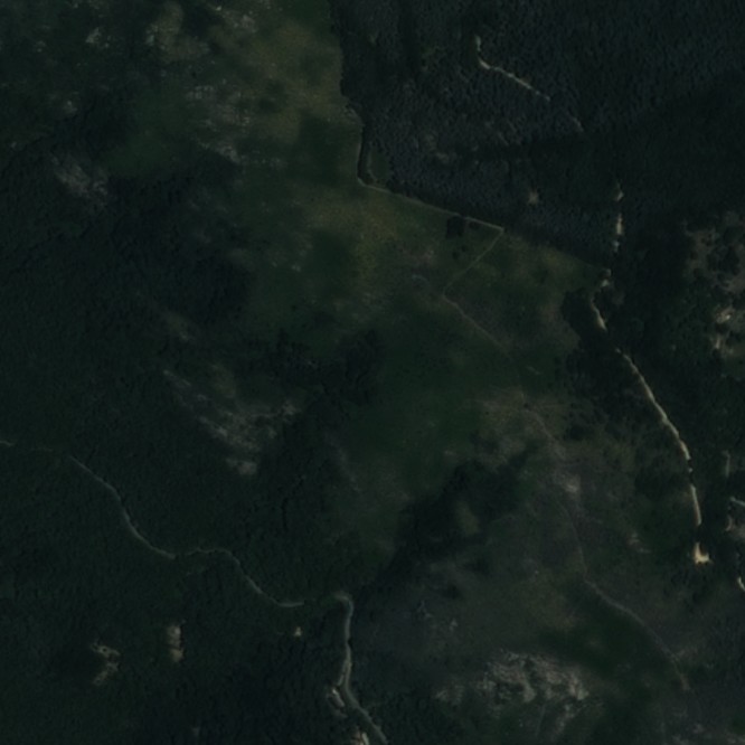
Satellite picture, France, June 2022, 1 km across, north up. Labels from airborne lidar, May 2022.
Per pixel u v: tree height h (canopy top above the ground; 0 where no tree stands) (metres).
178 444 16
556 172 13
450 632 0
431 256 0
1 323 13
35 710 14
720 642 6
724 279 9
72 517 19
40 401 18
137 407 17
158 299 7
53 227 7
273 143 0
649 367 12
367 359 13
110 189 7
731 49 16
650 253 16
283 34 0
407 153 22
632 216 15
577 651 0
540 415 0
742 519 11
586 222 21
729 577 9
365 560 10
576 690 0
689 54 13
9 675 14
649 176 16
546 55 12
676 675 0
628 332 10
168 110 0
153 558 17
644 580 0
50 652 14
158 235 12
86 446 16
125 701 19
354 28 12
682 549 10
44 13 0
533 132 13
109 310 13
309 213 0
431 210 0
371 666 8
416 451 0
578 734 0
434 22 22
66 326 13
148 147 0
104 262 15
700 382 20
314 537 12
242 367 7
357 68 13
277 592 14
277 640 13
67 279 12
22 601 13
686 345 15
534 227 16
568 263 0
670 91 21
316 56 0
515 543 0
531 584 0
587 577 0
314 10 0
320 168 0
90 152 7
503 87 20
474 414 0
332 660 16
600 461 0
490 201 21
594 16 16
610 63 16
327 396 14
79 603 14
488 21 24
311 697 6
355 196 0
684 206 15
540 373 0
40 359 15
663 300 19
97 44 6
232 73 0
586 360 14
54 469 17
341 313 0
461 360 0
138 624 15
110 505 16
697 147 22
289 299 0
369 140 14
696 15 17
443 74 19
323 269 0
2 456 18
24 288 15
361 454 0
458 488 9
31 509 19
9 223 10
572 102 24
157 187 15
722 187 15
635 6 24
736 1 19
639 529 0
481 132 12
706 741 0
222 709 18
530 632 0
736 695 5
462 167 13
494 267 0
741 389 13
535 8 22
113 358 14
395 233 0
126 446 17
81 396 18
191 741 15
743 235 8
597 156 18
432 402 0
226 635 17
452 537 6
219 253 7
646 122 22
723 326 18
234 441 0
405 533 7
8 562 15
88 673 15
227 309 13
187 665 25
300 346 13
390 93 17
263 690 8
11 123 8
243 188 0
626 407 11
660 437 10
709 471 8
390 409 0
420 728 12
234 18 0
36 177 14
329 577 11
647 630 0
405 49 18
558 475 0
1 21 0
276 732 13
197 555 14
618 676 0
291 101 0
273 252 0
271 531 11
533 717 0
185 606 11
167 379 8
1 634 14
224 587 19
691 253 7
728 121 23
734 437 13
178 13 0
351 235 0
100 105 16
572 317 12
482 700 0
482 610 0
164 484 14
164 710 20
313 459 14
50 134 9
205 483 18
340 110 0
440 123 15
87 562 17
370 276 0
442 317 0
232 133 0
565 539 0
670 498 0
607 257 17
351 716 13
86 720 13
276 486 15
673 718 0
